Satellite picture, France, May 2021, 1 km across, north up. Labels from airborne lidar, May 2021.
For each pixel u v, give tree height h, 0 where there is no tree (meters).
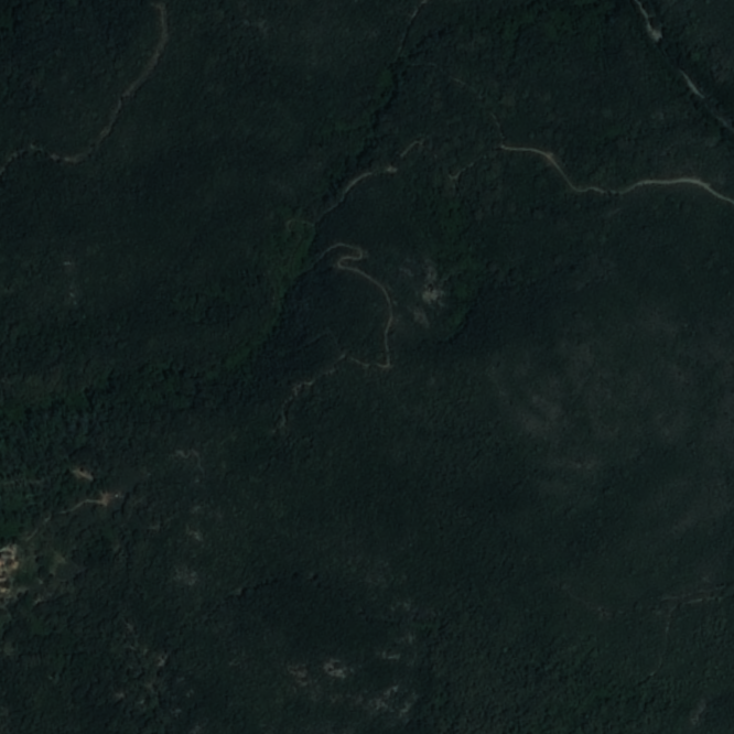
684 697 9
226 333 11
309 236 6
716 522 7
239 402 10
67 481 9
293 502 9
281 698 11
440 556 13
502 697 14
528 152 6
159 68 9
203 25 13
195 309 7
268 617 13
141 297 17
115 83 7
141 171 14
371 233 6
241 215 9
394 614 14
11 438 23
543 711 8
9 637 15
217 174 9
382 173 7
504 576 9
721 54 14
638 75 5
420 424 10
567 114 9
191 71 8
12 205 12
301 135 6
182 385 18
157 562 14
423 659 13
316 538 7
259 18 9
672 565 6
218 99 8
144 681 13
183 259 8
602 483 8
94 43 9
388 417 11
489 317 11
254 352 7
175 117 7
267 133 7
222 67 9
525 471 8
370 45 12
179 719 13
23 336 12
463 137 15
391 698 6
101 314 11
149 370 23
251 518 6
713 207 6
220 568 10
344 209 6
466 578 10
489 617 12
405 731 18
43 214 11
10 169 14
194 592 6
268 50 7
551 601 6
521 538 7
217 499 5
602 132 10
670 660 6
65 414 24
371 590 6
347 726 10
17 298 9
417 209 8
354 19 10
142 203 10
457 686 14
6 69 13
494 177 14
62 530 8
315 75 10
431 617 13
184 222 12
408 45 15
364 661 9
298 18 7
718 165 6
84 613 12
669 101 13
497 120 6
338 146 10
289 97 15
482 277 8
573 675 9
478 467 8
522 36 10
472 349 9
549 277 7
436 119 8
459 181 9
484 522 8
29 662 11
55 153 11
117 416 15
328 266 6
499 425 10
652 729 13
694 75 15
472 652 12
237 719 9
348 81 11
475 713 17
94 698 11
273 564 15
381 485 12
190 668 11
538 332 7
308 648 11
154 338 8
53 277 9
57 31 8
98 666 12
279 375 13
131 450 13
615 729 13
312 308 7
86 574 9
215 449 7
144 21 6
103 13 13
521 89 7
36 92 8
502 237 8
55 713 7
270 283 7
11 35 17
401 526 11
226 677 7
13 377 12
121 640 12
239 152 13
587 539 9
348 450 8
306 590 15
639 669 8
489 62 8
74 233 10
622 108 9
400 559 9
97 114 7
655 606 7
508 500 11
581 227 6
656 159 12
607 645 8
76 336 21
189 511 7
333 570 9
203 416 8
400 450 6
